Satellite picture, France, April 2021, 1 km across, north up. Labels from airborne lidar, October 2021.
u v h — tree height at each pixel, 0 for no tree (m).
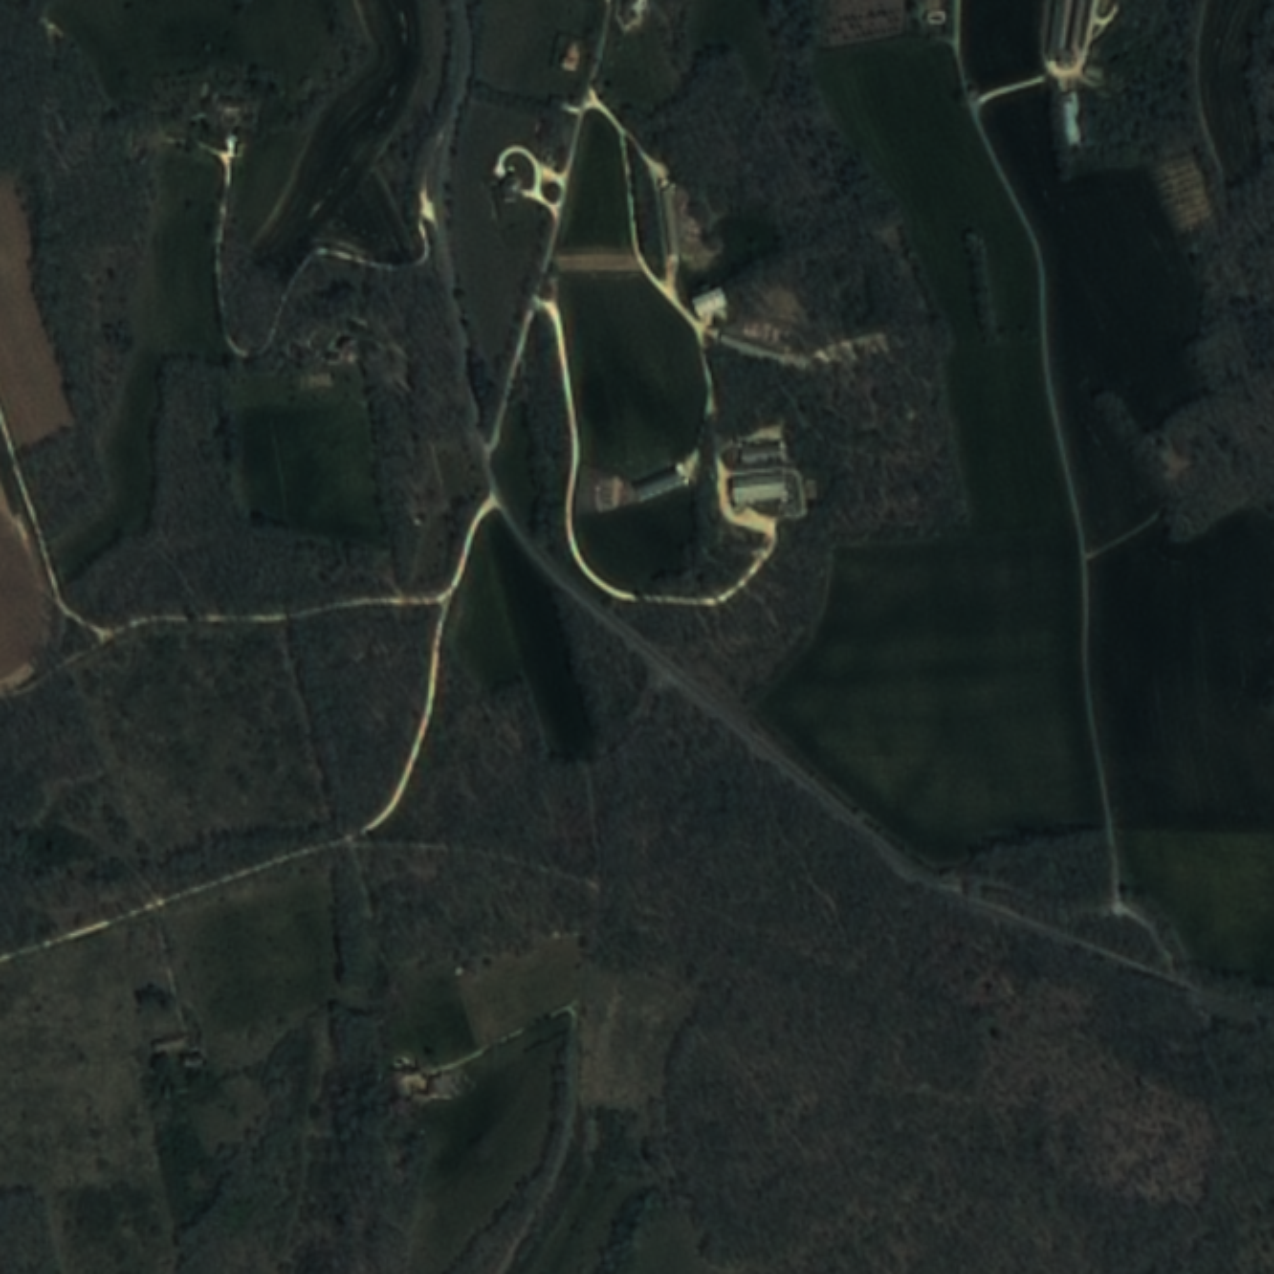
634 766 12
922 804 0
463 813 11
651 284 0
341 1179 6
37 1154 0
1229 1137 12
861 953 11
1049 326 0
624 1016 0
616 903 14
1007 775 0
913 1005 11
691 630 8
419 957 12
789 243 10
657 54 0
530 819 13
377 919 14
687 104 20
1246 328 20
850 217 14
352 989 17
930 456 12
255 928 0
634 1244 8
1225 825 0
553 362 12
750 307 13
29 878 7
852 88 0
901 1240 10
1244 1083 17
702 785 12
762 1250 12
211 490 15
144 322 0
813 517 12
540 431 14
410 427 11
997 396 0
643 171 15
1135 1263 17
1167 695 0
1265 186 17
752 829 12
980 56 0
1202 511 15
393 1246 14
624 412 0
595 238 0
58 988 0
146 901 7
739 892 12
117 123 16
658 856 10
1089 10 0
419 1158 13
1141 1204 17
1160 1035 20
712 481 10
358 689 12
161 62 0
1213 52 0
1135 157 15
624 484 0
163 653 7
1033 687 0
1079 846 19
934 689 0
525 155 0
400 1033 0
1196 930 0
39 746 10
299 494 0
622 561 0
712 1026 12
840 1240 10
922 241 0
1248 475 14
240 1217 15
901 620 0
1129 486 0
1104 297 0
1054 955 18
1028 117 0
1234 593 0
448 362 19
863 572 0
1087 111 6
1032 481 0
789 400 14
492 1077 0
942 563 0
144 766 0
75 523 11
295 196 0
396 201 9
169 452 15
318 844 12
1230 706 0
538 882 16
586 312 0
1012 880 16
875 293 12
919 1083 10
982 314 13
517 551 0
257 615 15
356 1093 7
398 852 12
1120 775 0
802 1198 8
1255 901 0
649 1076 0
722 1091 10
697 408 0
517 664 0
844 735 0
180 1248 14
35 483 13
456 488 0
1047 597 0
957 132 0
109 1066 0
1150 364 0
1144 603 0
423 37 0
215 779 0
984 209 0
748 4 0
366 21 0
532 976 0
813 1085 12
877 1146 9
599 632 11
